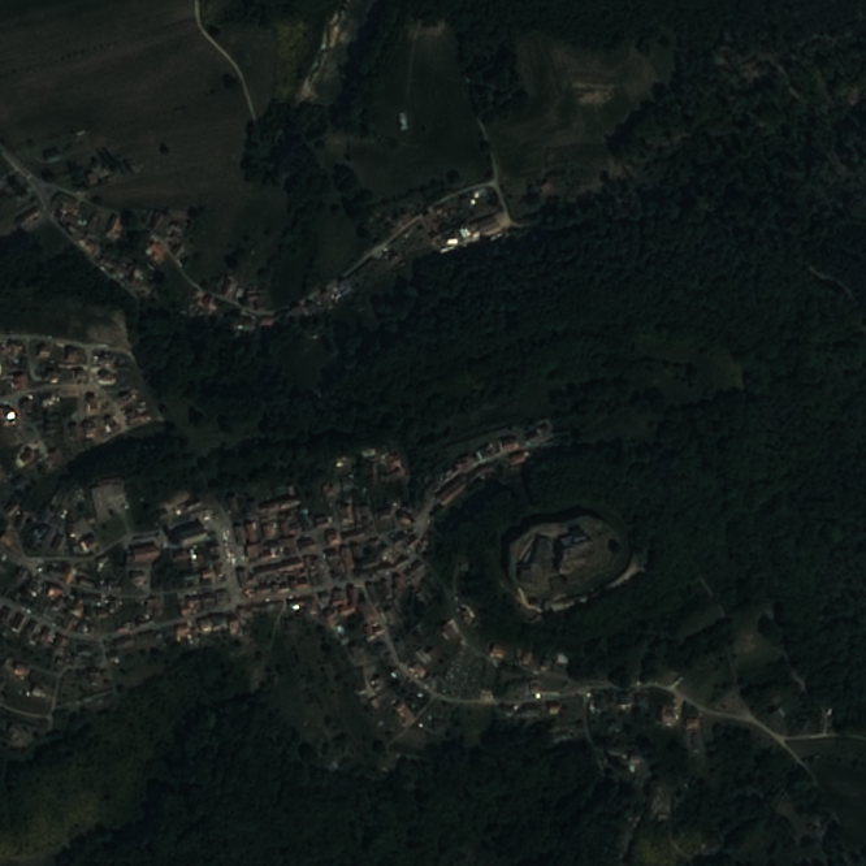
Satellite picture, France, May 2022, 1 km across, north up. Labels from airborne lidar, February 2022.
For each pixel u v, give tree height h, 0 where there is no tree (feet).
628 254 91
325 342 0
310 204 71
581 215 67
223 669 33
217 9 0
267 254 0
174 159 0
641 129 62
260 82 0
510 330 80
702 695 0
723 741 23
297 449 70
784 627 68
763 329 92
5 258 60
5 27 0
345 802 84
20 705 0
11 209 0
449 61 0
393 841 106
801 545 89
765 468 92
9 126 0
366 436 64
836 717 38
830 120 28
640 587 58
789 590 82
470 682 0
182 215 0
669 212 92
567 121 0
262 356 80
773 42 95
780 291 87
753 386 70
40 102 0
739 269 94
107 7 0
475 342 77
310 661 0
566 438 22
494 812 88
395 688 31
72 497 0
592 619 53
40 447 0
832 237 24
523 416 0
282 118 33
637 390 0
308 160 89
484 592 66
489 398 23
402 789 79
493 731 41
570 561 0
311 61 0
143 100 0
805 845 49
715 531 89
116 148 0
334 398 52
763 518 76
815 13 37
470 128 0
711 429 60
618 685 40
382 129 0
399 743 0
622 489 64
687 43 65
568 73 0
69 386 0
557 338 79
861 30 33
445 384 49
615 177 0
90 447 0
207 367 85
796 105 105
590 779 32
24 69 0
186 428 0
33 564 0
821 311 94
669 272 84
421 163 0
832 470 72
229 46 0
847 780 0
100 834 75
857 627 98
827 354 85
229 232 0
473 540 55
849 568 86
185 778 78
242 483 28
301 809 90
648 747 82
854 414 87
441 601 41
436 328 105
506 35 77
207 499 0
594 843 71
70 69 0
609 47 61
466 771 89
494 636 27
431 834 78
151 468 86
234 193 0
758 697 40
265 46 0
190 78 0
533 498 40
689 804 33
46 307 0
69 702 0
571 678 52
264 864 72
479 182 0
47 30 0
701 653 23
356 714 0
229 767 85
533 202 58
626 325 96
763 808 43
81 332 0
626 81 0
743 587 58
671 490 85
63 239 0
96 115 0
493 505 65
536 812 88
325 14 0
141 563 0
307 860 62
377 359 81
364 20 0
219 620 0
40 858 0
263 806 78
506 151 0
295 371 0
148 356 59
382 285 0
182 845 81
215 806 87
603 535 0
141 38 0
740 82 95
